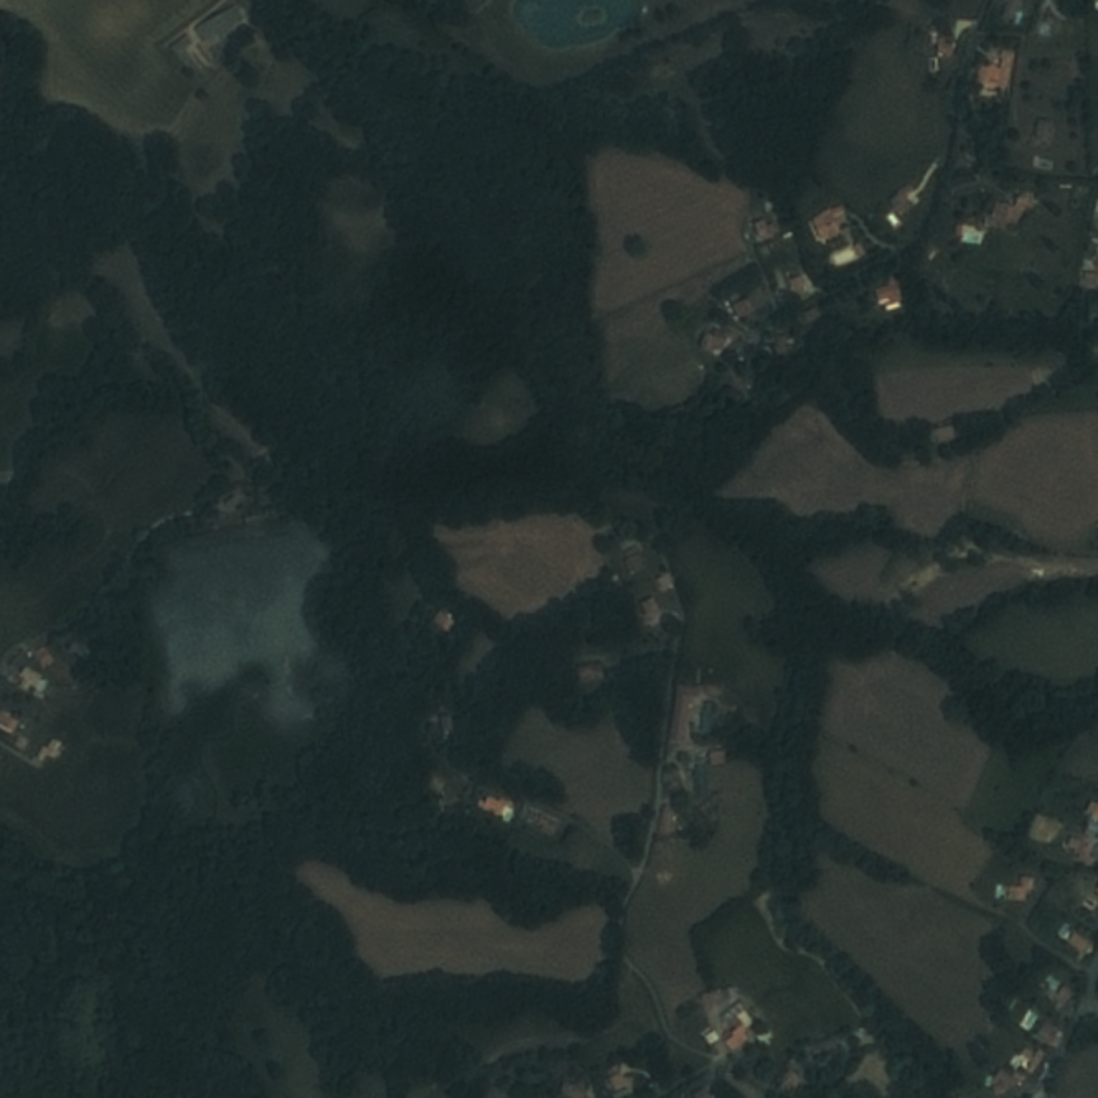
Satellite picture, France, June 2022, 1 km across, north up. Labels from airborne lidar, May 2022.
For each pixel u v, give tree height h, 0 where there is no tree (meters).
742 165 26
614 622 27
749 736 15
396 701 23
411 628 16
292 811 11
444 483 15
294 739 0
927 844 0
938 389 0
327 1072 11
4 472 0
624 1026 0
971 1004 0
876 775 0
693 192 0
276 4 23
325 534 15
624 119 25
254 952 26
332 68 24
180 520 14
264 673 0
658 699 23
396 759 25
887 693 0
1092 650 0
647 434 26
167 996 20
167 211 27
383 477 6
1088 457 0
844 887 0
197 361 24
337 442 27
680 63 0
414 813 9
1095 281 0
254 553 0
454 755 18
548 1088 9
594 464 23
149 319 0
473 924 0
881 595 0
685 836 12
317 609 9
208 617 0
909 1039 25
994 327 24
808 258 6
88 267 27
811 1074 14
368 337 10
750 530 24
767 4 14
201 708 0
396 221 15
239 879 22
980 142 14
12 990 27
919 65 0
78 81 0
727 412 23
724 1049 0
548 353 19
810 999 0
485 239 27
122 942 23
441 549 25
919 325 25
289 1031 0
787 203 17
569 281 30
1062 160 0
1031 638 0
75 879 23
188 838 19
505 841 8
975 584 0
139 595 30
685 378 0
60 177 24
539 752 0
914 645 22
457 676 20
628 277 0
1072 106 12
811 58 17
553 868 11
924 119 0
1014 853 14
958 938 0
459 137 28
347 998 22
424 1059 21
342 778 22
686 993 0
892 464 20
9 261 27
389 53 19
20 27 16
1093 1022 11
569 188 25
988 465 0
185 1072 19
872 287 16
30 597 0
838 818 0
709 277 0
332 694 11
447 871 26
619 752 0
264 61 0
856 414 15
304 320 19
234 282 13
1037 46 0
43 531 17
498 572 0
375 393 18
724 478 9
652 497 13
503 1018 20
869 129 0
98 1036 35
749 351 8
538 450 16
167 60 0
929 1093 20
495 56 0
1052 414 0
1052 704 24
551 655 24
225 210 20
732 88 18
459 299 13
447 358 7
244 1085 21
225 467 12
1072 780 8
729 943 0
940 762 0
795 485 0
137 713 0
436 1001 22
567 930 0
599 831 0
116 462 0
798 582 23
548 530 0
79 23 0
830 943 16
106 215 24
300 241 12
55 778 0
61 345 0
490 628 21
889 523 12
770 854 11
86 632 18
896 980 0
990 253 0
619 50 0
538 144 29
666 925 0
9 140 26
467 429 0
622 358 0
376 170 17
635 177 0
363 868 22
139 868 23
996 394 0
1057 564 0
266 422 16
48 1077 21
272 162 24
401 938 0
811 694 20
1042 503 0
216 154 0
